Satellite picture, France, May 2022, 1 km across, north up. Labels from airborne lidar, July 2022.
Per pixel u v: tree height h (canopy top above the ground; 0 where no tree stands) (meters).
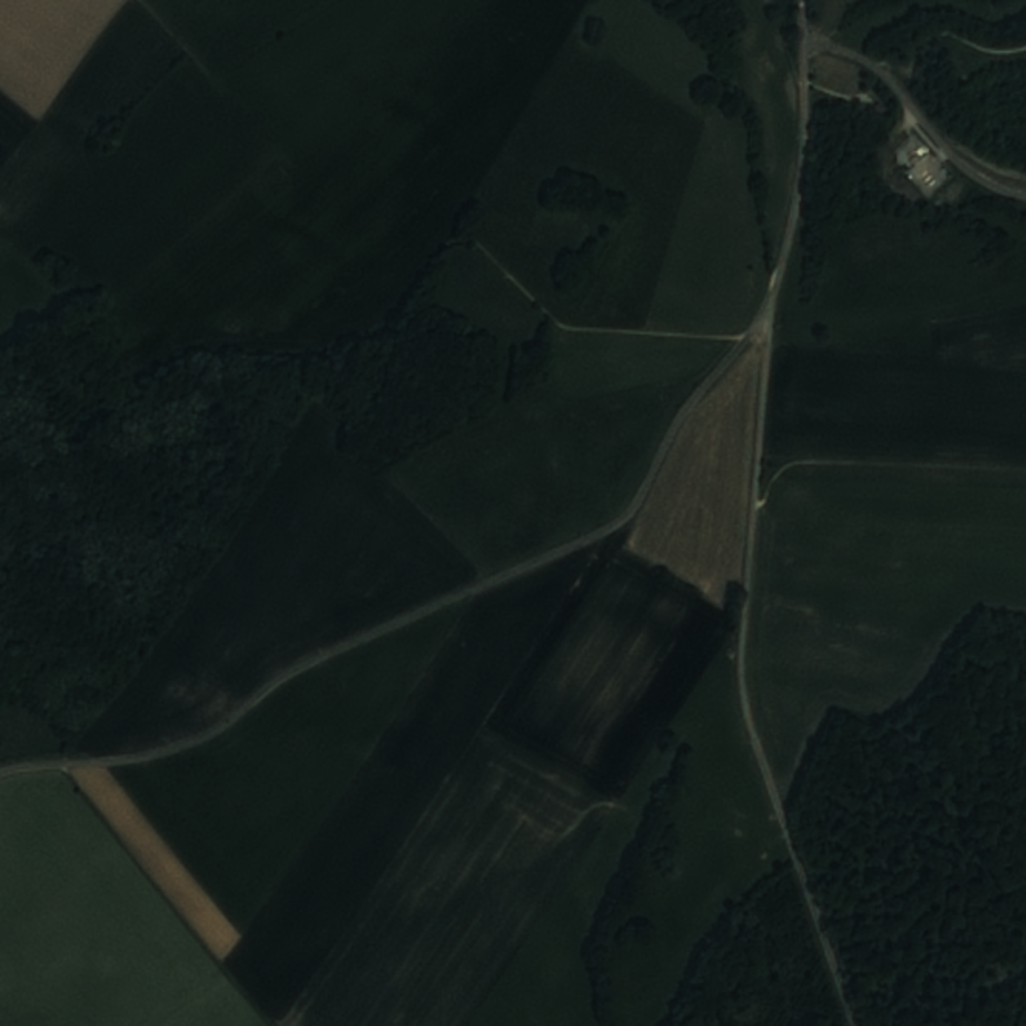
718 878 0
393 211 0
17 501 20
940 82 14
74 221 0
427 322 19
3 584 15
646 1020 0
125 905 0
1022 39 12
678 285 0
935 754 26
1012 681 24
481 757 0
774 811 0
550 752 0
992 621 13
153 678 0
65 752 7
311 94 0
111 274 0
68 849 0
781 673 0
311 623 0
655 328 0
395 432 21
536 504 0
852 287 0
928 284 0
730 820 0
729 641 0
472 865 0
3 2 0
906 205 22
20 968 0
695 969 20
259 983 0
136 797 0
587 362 0
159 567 25
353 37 0
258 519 0
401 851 0
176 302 0
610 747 0
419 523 0
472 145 0
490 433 0
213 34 0
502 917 0
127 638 20
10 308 0
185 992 0
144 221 0
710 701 0
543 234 0
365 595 0
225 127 0
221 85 0
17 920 0
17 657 18
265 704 0
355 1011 0
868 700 0
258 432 20
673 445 0
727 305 0
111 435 24
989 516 0
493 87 0
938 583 0
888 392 0
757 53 0
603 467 0
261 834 0
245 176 0
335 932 0
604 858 0
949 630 0
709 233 0
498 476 0
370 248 0
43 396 15
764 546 0
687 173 0
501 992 0
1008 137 11
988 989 14
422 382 24
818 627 0
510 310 0
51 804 0
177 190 0
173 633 0
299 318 0
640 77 0
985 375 0
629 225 0
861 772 23
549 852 0
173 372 19
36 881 0
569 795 0
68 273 18
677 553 0
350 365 23
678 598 0
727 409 0
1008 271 0
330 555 0
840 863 14
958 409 0
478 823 0
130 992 0
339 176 0
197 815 0
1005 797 30
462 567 0
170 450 8
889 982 14
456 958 0
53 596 22
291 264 0
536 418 0
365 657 0
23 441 21
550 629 0
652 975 0
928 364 0
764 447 0
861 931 26
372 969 0
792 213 0
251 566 0
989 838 30
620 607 0
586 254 15
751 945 27
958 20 13
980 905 24
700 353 0
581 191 20
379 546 0
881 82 9
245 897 0
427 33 0
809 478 0
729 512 0
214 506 22
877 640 0
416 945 0
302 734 0
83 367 25
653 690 0
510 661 0
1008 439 0
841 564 0
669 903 0
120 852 0
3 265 0
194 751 0
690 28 19
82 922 0
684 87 0
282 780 0
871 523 0
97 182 0
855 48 0
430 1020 0
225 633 0
